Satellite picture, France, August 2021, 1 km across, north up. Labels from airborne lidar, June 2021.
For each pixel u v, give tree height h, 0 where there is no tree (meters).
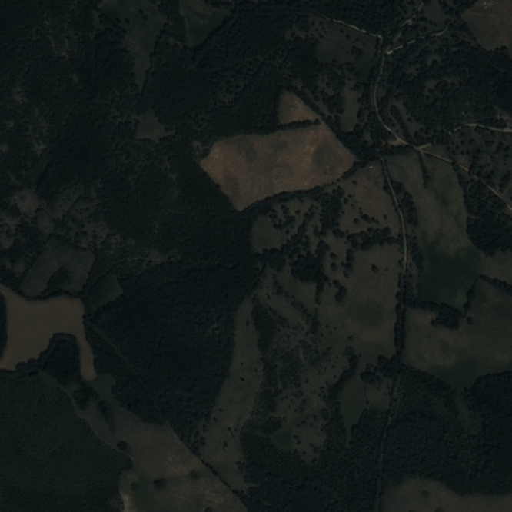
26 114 6
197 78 13
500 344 0
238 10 9
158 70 9
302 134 0
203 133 8
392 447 9
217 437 0
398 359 10
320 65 7
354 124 0
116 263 9
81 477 0
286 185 0
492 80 14
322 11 8
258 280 10
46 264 0
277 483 11
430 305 6
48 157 11
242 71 7
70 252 0
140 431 0
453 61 12
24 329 0
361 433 12
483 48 7
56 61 9
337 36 0
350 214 0
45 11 8
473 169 11
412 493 0
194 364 14
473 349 0
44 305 0
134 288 12
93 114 13
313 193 8
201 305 10
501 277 0
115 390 7
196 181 11
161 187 8
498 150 7
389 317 0
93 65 8
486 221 10
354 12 10
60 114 8
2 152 7
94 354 8
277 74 9
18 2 12
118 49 11
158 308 11
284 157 0
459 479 13
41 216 0
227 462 0
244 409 0
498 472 16
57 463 0
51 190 9
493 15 0
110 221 8
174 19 7
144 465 0
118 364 9
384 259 0
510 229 7
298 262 9
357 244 12
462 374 0
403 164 0
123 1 0
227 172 0
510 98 13
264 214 13
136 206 7
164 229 9
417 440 8
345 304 0
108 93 10
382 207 0
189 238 9
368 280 0
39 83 9
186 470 0
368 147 10
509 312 0
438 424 10
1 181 8
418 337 0
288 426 0
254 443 6
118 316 15
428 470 9
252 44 10
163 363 20
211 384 12
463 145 9
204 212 10
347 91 0
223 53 11
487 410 19
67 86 7
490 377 12
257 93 11
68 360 12
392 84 9
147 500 0
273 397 7
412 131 0
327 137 0
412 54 8
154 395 11
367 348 0
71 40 7
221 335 8
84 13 13
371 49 0
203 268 8
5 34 15
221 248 12
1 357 10
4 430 0
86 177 9
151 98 10
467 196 10
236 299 11
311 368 0
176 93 16
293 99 0
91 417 0
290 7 10
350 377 11
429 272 0
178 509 0
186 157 10
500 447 11
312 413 0
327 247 9
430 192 0
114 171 8
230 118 10
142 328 18
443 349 0
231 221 11
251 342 0
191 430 5
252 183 0
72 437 0
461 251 0
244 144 0
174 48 8
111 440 0
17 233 7
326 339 0
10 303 0
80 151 16
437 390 8
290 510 7
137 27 0
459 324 10
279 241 0
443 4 8
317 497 11
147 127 0
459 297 0
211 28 0
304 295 0
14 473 0
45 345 0
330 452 15
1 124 6
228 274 15
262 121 9
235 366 0
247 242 14
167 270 10
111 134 8
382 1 6
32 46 8
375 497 7
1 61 13
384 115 9
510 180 10
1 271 9
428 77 11
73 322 0
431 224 0
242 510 0
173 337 12
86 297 7
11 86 7
